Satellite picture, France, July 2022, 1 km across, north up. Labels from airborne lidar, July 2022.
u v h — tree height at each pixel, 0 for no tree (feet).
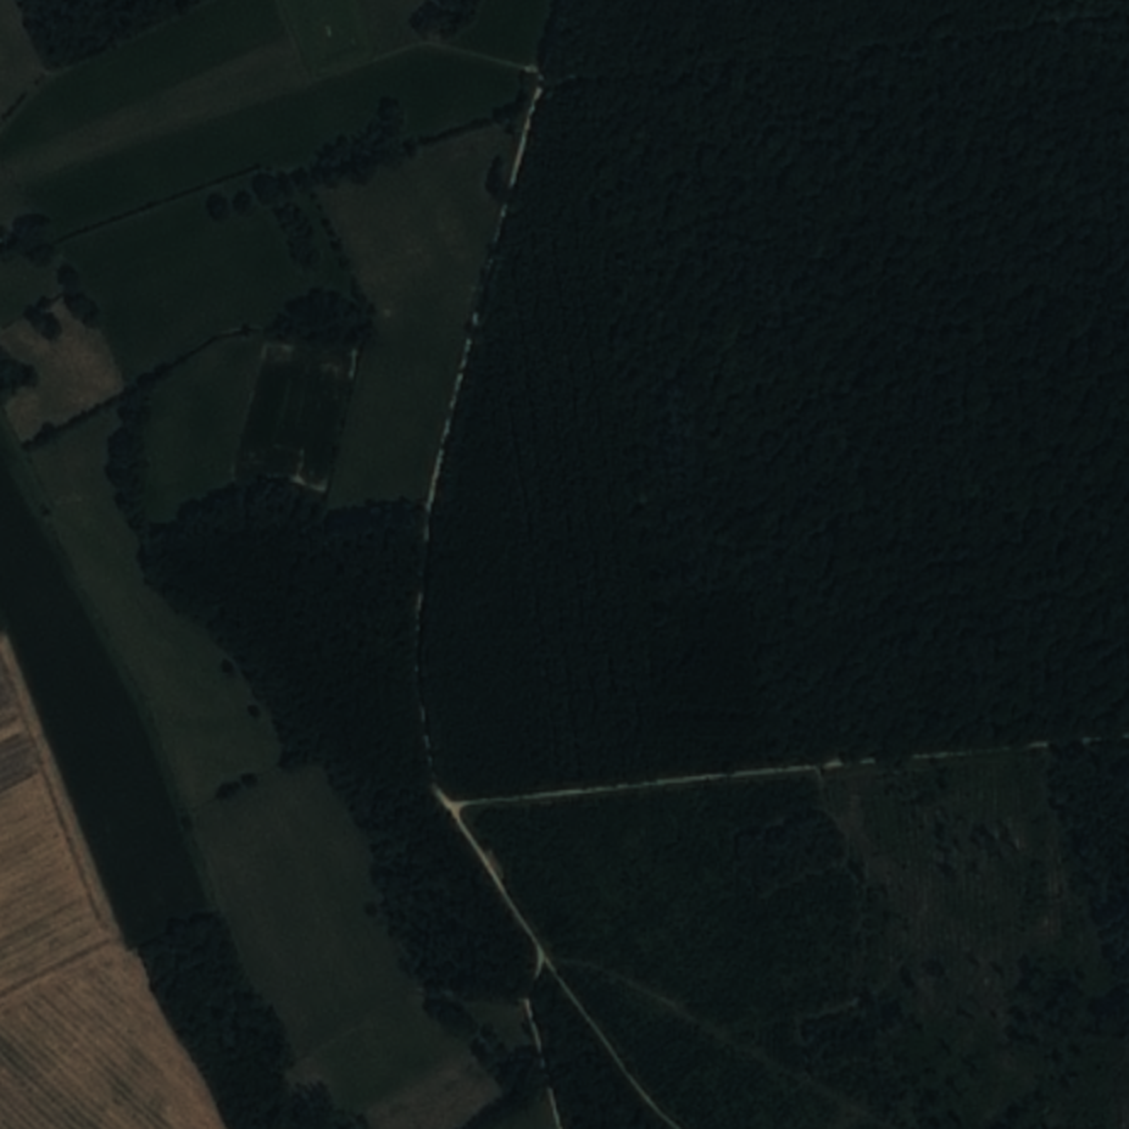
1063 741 51
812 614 81
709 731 45
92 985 0
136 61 0
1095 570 93
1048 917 0
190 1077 0
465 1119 0
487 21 0
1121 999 66
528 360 40
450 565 48
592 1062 68
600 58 81
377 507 38
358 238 0
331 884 0
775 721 51
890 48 73
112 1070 0
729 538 53
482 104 0
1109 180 61
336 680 51
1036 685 65
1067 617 86
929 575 60
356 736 50
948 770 19
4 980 0
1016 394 68
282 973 0
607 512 43
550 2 0
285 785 0
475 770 51
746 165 75
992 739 61
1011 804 0
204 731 0
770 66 49
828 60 48
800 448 41
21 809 0
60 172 0
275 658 63
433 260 0
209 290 0
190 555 55
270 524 55
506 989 82
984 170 76
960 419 66
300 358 0
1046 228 77
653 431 51
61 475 0
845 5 65
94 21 31
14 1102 0
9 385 71
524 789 37
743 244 65
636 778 36
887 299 50
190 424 0
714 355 62
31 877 0
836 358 68
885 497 64
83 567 0
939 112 67
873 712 73
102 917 0
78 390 0
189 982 66
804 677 65
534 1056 57
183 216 0
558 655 46
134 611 0
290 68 0
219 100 0
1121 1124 0
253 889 0
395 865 47
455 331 0
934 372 33
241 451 0
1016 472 63
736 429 63
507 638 47
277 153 0
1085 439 54
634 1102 22
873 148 57
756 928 22
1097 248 65
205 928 49
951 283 64
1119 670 93
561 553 43
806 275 67
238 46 0
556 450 44
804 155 76
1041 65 60
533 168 44
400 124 59
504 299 39
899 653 69
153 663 0
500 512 45
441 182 0
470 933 66
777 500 53
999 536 53
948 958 0
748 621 50
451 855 67
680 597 33
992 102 52
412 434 0
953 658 50
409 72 0
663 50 61
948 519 71
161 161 0
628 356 58
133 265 0
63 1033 0
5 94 0
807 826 71
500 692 44
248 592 55
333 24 0
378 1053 0
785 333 70
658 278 50
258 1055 28
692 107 75
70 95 0
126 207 0
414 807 64
